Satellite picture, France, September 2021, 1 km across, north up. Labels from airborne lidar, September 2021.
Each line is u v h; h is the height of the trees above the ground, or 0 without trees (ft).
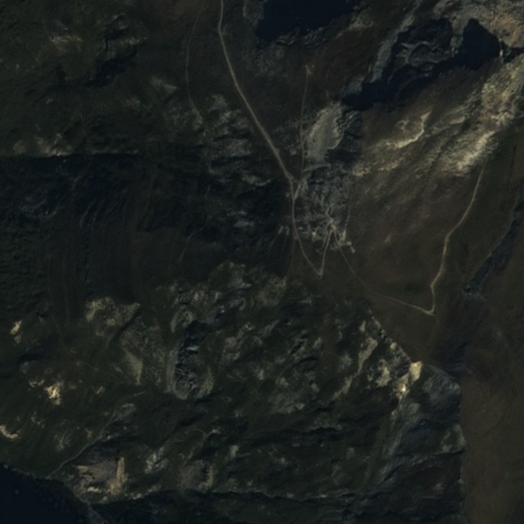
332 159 0
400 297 0
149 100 0
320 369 0
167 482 0
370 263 0
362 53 0
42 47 0
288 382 0
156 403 0
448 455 0
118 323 0
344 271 0
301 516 0
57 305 0
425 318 0
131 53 0
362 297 0
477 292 0
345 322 0
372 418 0
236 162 0
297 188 0
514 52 0
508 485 0
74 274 0
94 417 0
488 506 0
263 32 0
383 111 0
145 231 0
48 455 0
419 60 0
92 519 0
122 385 0
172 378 0
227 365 0
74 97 0
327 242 0
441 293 0
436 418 0
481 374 0
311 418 0
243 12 0
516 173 0
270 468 0
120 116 0
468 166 0
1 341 0
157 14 0
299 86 0
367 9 0
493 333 0
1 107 0
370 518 0
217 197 0
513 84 0
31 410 0
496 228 0
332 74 0
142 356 0
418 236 0
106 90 0
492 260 0
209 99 0
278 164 0
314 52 0
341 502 0
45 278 0
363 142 0
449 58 0
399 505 0
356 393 0
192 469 0
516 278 0
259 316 0
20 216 0
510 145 0
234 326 0
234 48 0
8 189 0
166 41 0
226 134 0
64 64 0
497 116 0
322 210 0
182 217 0
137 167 0
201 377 0
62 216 0
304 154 0
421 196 0
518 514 0
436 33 0
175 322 0
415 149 0
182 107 0
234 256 0
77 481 0
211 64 0
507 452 0
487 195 0
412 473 0
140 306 0
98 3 0
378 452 0
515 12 0
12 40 0
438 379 0
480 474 0
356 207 0
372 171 0
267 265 0
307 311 0
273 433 0
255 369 0
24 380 0
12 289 0
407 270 0
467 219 0
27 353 0
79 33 0
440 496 0
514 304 0
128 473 0
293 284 0
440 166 0
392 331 0
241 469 0
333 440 0
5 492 25
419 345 0
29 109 0
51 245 0
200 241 0
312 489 0
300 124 0
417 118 0
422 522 0
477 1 0
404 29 0
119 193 0
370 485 0
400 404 0
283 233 0
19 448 0
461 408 0
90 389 0
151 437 0
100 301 0
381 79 0
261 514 0
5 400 0
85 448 0
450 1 0
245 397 0
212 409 0
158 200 0
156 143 0
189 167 0
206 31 0
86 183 0
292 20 0
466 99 0
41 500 38
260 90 0
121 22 0
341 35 0
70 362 0
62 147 0
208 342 0
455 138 0
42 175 0
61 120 0
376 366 0
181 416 0
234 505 0
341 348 0
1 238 0
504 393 0
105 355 0
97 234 0
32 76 0
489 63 0
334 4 0
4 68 0
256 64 0
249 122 0
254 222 0
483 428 0
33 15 0
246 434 0
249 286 0
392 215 0
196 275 0
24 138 0
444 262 0
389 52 0
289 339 0
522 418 0
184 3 0
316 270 0
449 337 0
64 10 0
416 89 0
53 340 0
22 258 0
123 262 0
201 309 0
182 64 0
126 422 0
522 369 0
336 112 0
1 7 0
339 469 0
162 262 0
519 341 0
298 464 0
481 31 0
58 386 0
